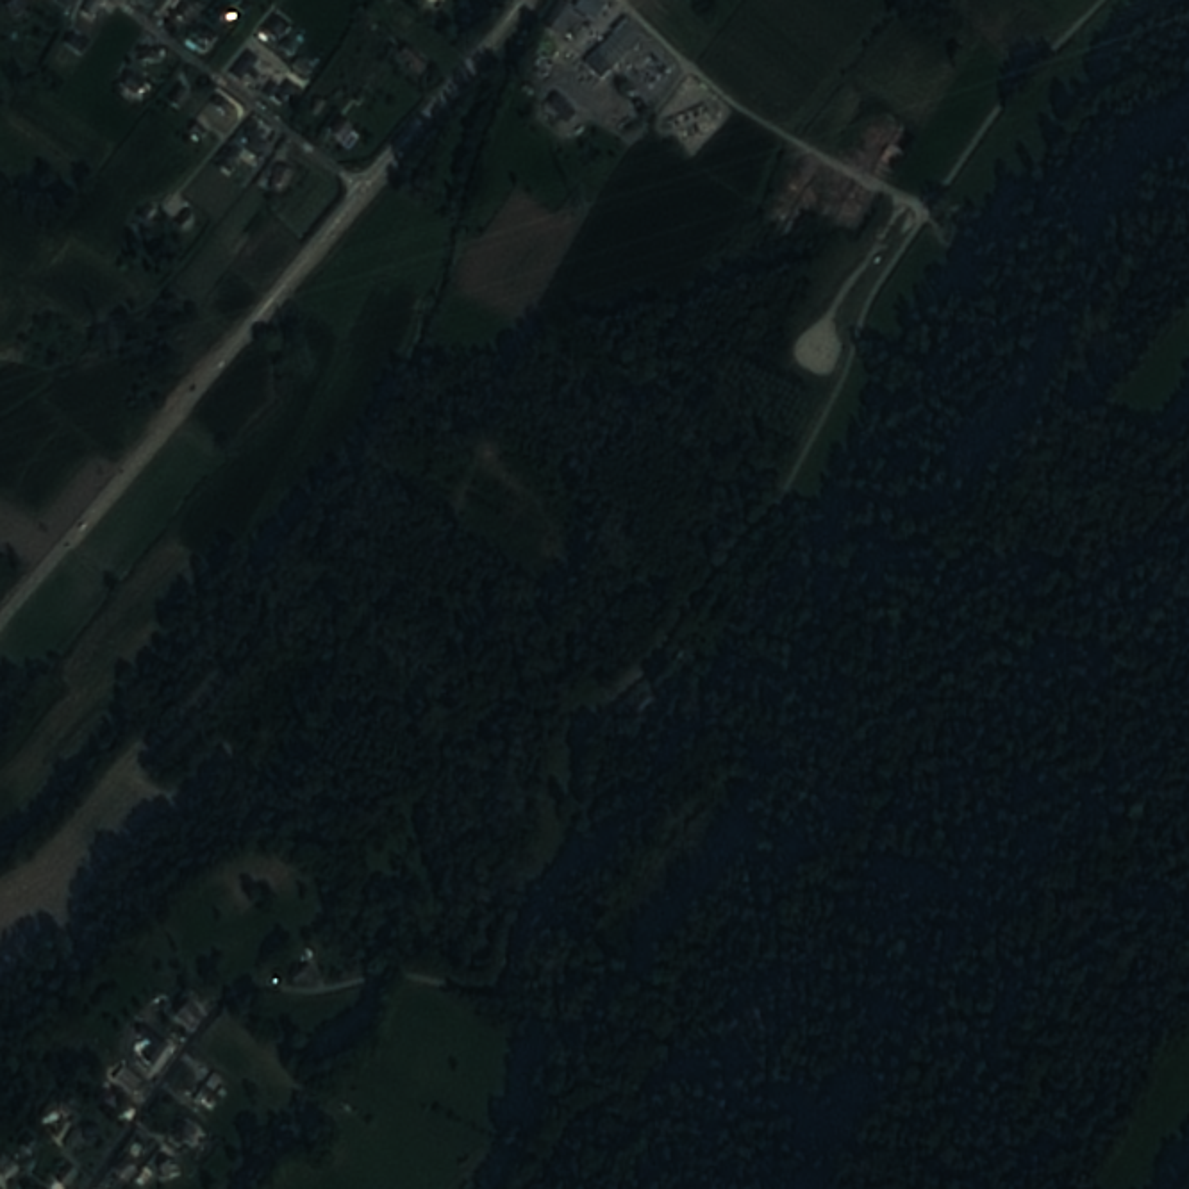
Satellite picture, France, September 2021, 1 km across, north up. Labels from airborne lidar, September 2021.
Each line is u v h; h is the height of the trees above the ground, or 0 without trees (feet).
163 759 90
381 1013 72
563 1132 53
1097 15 0
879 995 71
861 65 0
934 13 80
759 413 83
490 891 63
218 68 0
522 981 27
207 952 0
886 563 114
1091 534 66
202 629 66
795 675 71
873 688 81
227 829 73
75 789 77
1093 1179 68
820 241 30
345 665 91
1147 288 33
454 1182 0
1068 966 99
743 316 52
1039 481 73
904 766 74
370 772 98
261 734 61
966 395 100
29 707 56
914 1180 88
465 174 44
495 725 43
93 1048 0
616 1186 110
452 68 0
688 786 84
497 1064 0
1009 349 88
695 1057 98
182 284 0
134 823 0
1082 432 68
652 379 90
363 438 31
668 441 84
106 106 0
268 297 0
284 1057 30
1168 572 82
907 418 91
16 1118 53
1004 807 51
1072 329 73
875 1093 71
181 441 0
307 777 95
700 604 55
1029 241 93
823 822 74
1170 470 76
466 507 0
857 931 55
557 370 82
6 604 0
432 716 104
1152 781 68
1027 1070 86
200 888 73
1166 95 52
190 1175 0
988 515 79
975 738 92
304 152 0
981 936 90
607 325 40
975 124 0
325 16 0
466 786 84
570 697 52
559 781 0
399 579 82
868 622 99
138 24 0
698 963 62
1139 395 0
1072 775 101
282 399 0
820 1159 77
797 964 84
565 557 0
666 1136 94
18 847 89
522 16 0
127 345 39
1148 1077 70
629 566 91
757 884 110
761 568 71
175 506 0
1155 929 93
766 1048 65
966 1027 25
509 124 0
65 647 0
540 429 101
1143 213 76
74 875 0
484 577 72
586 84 0
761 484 85
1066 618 56
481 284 0
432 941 19
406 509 92
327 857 107
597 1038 89
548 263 0
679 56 0
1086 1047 66
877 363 71
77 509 0
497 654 95
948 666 71
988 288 113
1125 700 59
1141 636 106
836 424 0
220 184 0
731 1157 89
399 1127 0
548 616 72
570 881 38
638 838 72
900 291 0
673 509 95
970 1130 77
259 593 110
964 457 105
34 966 104
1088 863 93
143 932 73
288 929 0
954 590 90
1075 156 34
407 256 0
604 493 94
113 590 54
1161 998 92
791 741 80
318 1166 65
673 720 42
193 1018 0
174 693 90
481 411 47
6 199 64
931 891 99
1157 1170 0
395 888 21
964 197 0
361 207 0
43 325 22
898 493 95
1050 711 93
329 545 83
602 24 0
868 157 0
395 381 46
